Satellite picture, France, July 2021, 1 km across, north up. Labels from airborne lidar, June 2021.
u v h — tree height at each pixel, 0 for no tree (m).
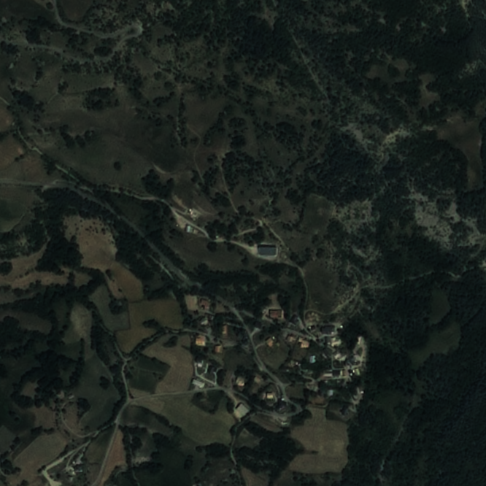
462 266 8
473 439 9
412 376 16
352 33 6
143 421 0
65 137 10
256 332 0
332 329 0
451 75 12
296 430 0
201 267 12
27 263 0
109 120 0
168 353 0
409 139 7
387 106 7
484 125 17
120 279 0
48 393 11
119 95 0
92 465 0
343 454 0
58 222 13
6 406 0
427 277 6
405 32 10
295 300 0
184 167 0
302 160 7
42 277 0
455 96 9
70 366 14
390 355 22
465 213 11
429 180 8
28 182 0
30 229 7
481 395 17
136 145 0
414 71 7
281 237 0
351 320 8
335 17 8
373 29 7
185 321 7
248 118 0
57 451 0
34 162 0
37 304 7
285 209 0
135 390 0
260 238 10
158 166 0
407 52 11
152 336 6
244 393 9
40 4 0
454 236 5
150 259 9
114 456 0
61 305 0
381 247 7
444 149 6
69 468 0
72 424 0
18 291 11
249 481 0
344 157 12
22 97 18
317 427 0
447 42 19
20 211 0
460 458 9
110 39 6
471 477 11
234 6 7
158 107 10
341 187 8
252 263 0
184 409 0
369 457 15
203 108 0
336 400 7
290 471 0
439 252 7
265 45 21
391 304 10
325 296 0
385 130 7
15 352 14
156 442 12
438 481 10
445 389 14
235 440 0
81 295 15
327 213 0
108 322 0
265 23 7
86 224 0
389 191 10
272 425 0
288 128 11
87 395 0
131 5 0
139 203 8
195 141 6
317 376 6
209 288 16
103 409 0
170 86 9
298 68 9
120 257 8
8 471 8
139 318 0
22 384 7
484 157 15
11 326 12
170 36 8
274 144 0
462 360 18
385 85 7
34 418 0
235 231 11
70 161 0
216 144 0
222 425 0
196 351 7
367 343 0
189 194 0
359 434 13
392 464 9
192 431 0
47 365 21
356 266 6
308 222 0
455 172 8
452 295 12
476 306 16
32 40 15
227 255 0
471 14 9
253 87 9
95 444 0
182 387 0
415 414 16
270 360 0
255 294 6
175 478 0
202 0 8
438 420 12
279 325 10
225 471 0
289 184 10
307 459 0
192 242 0
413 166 7
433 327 9
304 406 9
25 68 0
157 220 19
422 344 21
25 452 0
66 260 12
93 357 0
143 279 11
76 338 0
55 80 0
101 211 17
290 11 6
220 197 14
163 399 0
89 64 7
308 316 0
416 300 14
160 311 0
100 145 0
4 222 0
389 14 7
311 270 0
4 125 0
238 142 9
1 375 15
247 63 9
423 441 10
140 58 0
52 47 0
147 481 0
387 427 10
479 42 12
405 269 7
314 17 7
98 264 0
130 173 0
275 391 0
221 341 6
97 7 7
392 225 8
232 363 0
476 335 18
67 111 0
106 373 0
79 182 8
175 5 6
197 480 6
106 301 0
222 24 9
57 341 16
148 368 0
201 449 11
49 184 0
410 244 10
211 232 10
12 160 0
